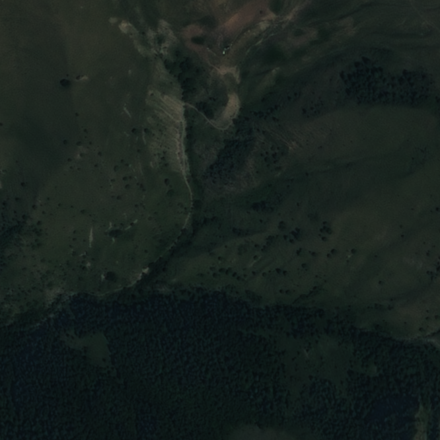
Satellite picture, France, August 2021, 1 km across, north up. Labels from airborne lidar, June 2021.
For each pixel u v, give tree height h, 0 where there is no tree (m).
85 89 0
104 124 0
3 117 0
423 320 0
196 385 25
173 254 8
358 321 0
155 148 0
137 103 0
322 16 0
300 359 0
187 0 0
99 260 0
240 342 17
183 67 11
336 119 0
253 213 0
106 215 0
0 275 7
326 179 0
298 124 0
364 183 0
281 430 0
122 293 6
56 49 0
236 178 0
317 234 0
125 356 21
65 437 24
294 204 0
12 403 24
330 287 0
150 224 0
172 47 0
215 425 19
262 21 0
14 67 0
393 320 0
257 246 8
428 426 0
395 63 0
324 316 16
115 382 13
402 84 9
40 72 0
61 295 13
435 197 0
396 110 0
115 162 0
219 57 0
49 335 17
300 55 0
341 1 0
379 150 0
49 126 0
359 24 0
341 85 0
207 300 15
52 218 0
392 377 14
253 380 21
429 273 8
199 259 0
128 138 0
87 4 0
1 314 8
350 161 0
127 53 0
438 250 0
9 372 23
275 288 0
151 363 22
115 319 16
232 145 6
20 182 0
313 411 6
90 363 8
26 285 0
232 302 15
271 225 0
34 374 16
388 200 0
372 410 12
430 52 0
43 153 0
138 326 27
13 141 0
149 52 0
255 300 12
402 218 0
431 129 0
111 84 0
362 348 10
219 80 0
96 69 0
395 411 6
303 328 10
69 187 0
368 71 8
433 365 11
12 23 0
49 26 0
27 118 0
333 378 0
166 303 10
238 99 0
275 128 0
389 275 0
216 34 0
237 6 0
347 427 13
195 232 10
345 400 10
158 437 26
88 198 0
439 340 0
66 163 0
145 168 0
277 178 0
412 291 0
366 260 0
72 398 11
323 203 0
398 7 0
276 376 11
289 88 0
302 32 0
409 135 0
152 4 0
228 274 11
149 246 0
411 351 11
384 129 0
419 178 0
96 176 0
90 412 14
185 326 10
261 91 0
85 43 0
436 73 0
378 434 10
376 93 7
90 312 23
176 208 0
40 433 20
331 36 0
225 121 0
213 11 0
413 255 0
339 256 0
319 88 0
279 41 0
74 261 0
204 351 22
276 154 13
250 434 0
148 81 0
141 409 15
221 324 21
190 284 6
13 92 0
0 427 17
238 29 0
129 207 0
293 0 0
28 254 0
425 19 0
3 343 9
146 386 19
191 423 22
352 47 0
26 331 15
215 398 17
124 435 26
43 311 10
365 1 0
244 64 0
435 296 0
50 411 24
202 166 0
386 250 0
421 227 0
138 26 0
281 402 15
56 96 0
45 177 0
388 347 13
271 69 0
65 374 27
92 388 20
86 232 0
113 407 22
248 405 21
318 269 0
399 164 0
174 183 0
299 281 0
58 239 0
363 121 0
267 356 14
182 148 0
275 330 6
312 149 0
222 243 0
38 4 0
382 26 0
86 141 0
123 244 0
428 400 10
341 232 0
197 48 0
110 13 0
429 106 0
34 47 0
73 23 0
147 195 0
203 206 0
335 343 0
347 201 0
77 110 0
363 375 8
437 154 0
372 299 0
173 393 21
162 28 0
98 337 0
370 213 0
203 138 0
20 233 7
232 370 26
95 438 25
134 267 0
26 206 0
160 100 0
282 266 0
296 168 0
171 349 26
